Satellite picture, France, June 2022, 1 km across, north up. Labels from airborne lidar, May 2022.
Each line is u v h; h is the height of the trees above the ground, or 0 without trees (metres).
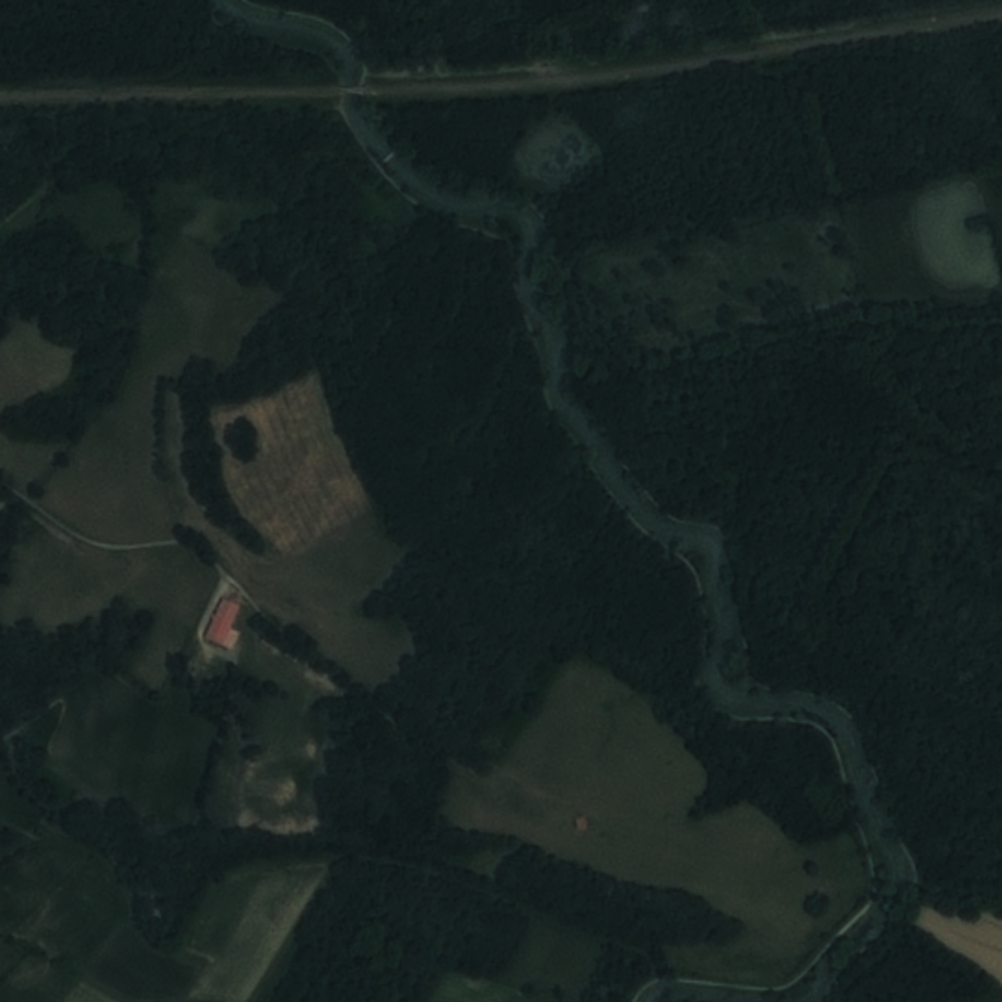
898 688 19
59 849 0
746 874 0
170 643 0
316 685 0
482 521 18
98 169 23
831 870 0
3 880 0
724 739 10
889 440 26
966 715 15
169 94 0
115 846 27
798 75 16
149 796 0
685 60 0
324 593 0
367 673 0
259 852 15
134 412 0
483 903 12
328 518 0
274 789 0
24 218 0
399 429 18
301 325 28
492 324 17
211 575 0
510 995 0
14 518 15
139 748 0
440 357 17
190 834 24
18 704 18
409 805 17
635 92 10
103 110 18
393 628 0
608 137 8
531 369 20
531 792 0
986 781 21
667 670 16
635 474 9
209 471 15
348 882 10
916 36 10
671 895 16
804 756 12
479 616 21
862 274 0
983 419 26
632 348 22
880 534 28
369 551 0
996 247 7
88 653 21
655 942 24
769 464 18
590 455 18
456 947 13
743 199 14
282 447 0
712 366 19
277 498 0
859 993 11
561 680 0
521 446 17
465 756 21
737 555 20
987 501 7
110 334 26
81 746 0
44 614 0
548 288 27
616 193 13
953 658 8
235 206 0
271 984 0
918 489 15
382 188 8
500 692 20
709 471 8
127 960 0
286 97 0
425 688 22
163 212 0
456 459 19
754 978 0
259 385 25
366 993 9
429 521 18
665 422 9
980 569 24
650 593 18
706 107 15
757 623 18
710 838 0
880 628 27
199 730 0
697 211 20
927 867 18
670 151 12
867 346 25
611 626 19
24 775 9
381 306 15
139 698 0
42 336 8
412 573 26
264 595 0
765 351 20
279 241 19
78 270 27
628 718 0
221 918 0
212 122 17
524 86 0
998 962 0
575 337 21
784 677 22
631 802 0
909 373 10
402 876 17
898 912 23
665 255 22
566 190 9
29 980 0
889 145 12
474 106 18
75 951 0
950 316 10
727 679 9
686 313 0
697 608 11
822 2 8
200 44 18
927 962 19
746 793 13
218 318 0
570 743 0
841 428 15
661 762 0
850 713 13
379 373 20
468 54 15
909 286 0
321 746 0
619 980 14
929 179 11
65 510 0
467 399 16
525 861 16
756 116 10
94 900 0
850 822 16
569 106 10
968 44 8
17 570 0
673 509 16
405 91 0
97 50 20
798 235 0
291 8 10
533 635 24
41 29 17
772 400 13
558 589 19
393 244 6
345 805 11
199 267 0
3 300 23
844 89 14
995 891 28
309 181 9
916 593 27
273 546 0
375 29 18
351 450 15
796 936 0
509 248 15
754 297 20
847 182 12
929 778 15
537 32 26
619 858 0
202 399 9
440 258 17
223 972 0
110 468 0
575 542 13
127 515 0
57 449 0
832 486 6
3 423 14
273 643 15
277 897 0
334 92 0
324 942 14
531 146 0
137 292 26
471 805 0
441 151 18
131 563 0
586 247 13
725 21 8
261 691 13
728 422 14
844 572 26
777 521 9
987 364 18
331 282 22
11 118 11
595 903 25
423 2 7
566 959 0
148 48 20
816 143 21
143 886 23
